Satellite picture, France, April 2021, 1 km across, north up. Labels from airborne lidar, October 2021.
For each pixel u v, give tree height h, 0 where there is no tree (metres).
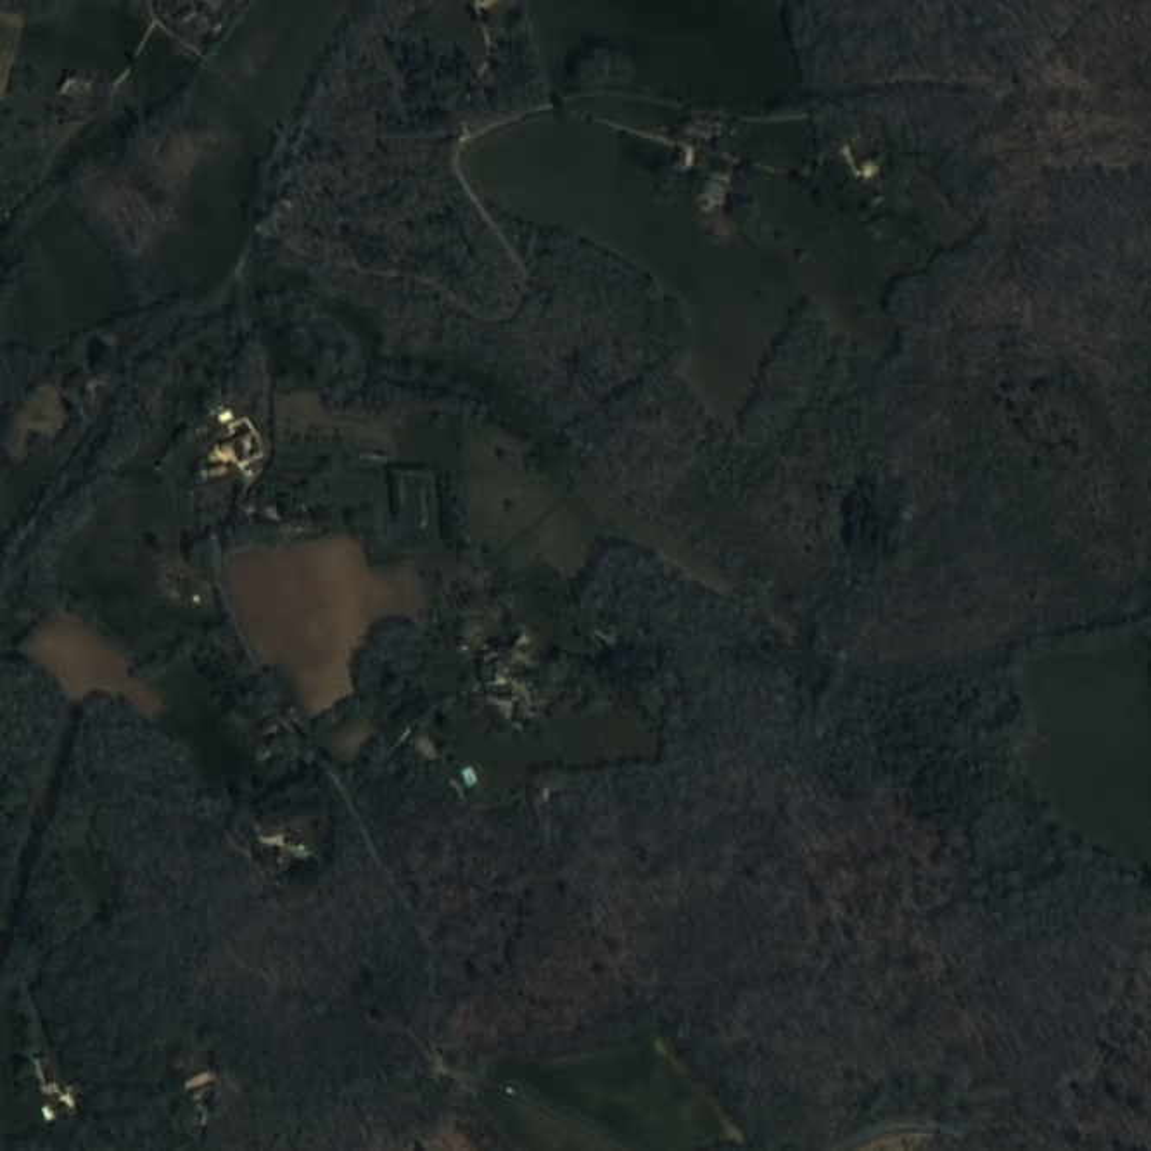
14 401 15
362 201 9
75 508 19
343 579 0
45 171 18
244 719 14
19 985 18
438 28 0
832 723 21
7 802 30
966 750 6
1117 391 11
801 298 0
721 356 0
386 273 17
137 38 0
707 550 22
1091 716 0
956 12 17
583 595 17
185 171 0
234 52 0
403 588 0
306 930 19
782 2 15
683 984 13
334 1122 25
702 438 7
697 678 25
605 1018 11
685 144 11
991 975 16
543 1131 0
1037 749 0
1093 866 19
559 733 0
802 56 14
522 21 15
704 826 23
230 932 19
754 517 12
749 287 0
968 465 7
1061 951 24
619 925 8
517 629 19
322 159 11
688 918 12
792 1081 23
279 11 0
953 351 8
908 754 12
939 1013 9
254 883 21
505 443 0
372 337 0
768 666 13
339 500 0
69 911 19
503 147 0
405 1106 18
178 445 7
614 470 17
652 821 22
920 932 20
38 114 0
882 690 15
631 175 0
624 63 19
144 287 7
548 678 22
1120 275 19
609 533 0
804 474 7
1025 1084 19
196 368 11
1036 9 0
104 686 0
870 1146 0
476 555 14
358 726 0
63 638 0
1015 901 20
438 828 20
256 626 0
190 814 18
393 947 26
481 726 0
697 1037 21
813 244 0
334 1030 16
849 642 12
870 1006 17
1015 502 8
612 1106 0
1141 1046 23
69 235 0
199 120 7
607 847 16
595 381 15
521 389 18
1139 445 7
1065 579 9
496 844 9
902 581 12
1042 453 10
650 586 17
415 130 12
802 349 22
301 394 0
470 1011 6
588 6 0
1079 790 0
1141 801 0
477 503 0
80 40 0
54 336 0
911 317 18
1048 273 19
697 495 7
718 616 22
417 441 0
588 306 20
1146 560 17
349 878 20
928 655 13
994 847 23
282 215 13
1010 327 12
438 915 23
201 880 19
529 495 0
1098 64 7
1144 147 9
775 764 14
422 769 10
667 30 0
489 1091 0
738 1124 15
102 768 24
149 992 19
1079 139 17
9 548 18
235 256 0
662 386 19
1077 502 8
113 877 11
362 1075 14
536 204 0
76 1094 17
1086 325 17
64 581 0
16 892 0
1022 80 21
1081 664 0
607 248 0
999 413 9
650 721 24
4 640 0
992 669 10
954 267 18
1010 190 19
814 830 18
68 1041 21
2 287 9
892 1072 15
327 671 0
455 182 11
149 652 0
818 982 12
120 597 0
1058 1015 22
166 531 0
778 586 9
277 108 0
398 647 18
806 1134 22
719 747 21
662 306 19
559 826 12
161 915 22
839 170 10
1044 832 6
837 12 18
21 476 0
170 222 34
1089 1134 15
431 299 10
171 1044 18
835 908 22
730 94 0
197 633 0
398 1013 14
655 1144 0
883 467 17
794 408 21
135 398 11
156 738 22
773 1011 20
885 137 18
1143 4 7
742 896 16
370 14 10
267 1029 18
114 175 7
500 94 12
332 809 14
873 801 17
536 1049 10
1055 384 9
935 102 18
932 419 11
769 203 0
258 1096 25
